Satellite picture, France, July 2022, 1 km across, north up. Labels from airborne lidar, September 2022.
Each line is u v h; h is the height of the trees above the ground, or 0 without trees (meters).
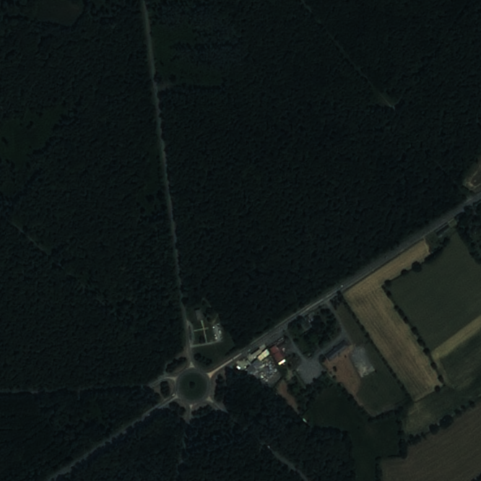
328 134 19
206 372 0
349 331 0
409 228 21
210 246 23
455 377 0
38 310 23
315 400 16
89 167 22
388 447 0
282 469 20
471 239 12
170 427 25
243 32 23
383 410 0
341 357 0
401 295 0
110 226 21
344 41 14
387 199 28
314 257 24
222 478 27
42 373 22
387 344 0
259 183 23
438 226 0
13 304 21
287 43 25
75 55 19
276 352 0
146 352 26
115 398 23
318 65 20
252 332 23
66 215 23
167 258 26
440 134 23
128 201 23
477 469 0
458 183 11
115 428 19
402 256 0
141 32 7
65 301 23
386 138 25
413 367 0
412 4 20
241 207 24
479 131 23
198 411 7
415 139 24
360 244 29
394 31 14
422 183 26
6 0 24
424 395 0
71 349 22
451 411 0
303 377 0
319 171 23
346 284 0
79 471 23
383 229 28
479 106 21
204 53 24
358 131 25
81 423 25
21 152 0
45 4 0
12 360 24
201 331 0
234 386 25
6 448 24
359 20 17
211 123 23
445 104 20
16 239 21
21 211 25
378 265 0
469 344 0
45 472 22
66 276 21
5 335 24
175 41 0
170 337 25
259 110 24
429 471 0
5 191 0
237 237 25
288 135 21
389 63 15
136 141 24
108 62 23
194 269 21
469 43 21
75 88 23
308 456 27
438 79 22
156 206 25
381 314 0
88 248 23
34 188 21
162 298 26
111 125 21
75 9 0
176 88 7
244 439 35
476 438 0
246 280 25
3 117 18
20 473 16
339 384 8
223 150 24
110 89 23
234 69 25
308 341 15
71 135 21
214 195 25
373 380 0
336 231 25
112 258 25
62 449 17
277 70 22
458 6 14
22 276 20
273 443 26
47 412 26
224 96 19
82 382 25
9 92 18
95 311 25
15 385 23
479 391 0
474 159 14
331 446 28
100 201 24
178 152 22
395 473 0
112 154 22
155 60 6
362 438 0
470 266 0
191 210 25
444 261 0
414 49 17
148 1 19
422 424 0
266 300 26
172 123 24
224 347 0
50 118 0
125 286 23
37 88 21
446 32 18
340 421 0
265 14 19
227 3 21
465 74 21
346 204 25
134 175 24
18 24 24
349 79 20
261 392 28
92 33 13
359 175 23
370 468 0
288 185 21
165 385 11
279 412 26
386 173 24
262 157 24
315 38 20
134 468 24
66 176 23
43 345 20
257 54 24
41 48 17
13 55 21
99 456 25
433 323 0
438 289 0
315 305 0
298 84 23
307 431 24
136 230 23
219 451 44
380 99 0
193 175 24
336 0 17
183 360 11
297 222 25
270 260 24
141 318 22
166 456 25
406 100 20
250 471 23
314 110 24
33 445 17
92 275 21
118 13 16
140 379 27
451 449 0
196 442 21
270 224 24
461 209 0
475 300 0
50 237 22
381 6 15
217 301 19
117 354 24
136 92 23
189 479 25
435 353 0
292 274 25
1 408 14
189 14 24
